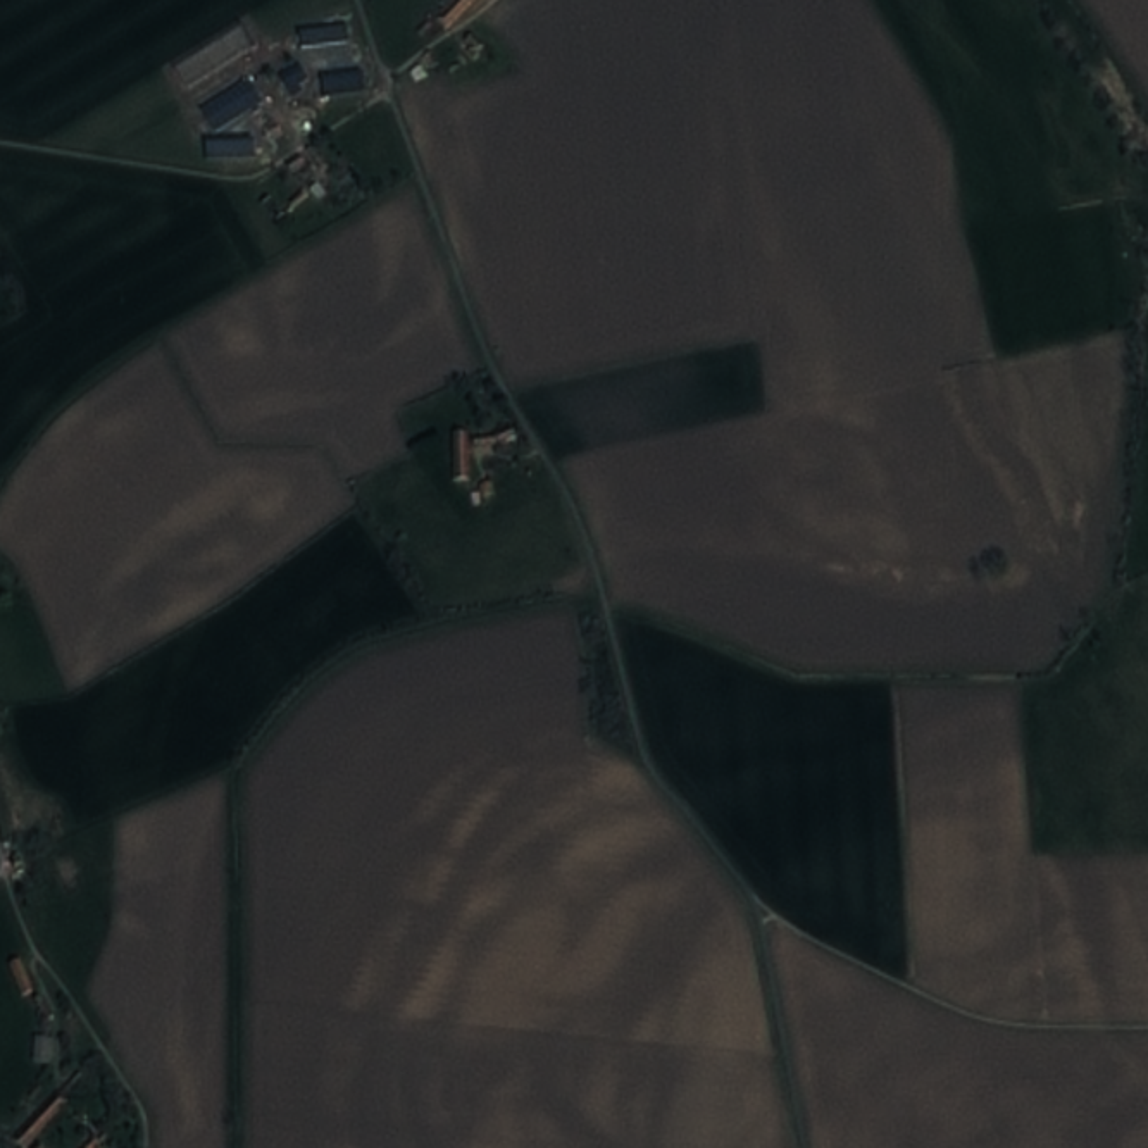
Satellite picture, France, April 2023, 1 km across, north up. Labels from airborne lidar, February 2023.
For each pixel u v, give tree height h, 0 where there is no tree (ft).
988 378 0
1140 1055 0
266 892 0
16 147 0
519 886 0
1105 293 0
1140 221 0
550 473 0
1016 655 0
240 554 0
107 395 0
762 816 0
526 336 0
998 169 0
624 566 0
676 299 0
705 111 0
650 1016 0
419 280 0
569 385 0
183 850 0
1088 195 0
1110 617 0
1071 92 0
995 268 0
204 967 0
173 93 0
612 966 0
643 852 0
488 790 0
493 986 0
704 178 0
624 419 0
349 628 0
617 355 0
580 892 0
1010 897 0
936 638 0
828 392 0
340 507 0
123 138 0
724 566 0
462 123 0
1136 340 52
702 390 0
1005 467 0
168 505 0
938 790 0
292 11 0
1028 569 0
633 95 0
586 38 0
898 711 0
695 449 0
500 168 0
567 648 0
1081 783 0
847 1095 0
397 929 0
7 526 0
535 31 0
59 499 0
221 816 0
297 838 0
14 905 0
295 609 0
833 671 0
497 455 32
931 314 0
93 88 0
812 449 0
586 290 0
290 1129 0
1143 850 0
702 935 0
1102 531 0
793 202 0
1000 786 0
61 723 0
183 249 0
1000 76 0
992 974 0
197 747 0
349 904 0
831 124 0
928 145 0
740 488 0
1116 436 0
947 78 0
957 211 0
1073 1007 0
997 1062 0
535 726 0
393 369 0
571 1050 0
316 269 0
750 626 0
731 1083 0
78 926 0
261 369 0
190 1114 0
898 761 0
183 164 0
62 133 0
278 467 0
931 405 0
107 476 0
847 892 0
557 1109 0
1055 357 0
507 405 40
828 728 0
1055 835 0
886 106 0
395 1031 0
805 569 0
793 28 0
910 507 0
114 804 0
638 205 0
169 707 0
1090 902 0
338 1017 0
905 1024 0
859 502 0
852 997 0
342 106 0
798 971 0
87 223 0
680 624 0
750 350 0
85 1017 0
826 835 0
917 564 0
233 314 0
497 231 0
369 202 34
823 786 0
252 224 0
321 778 0
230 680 0
